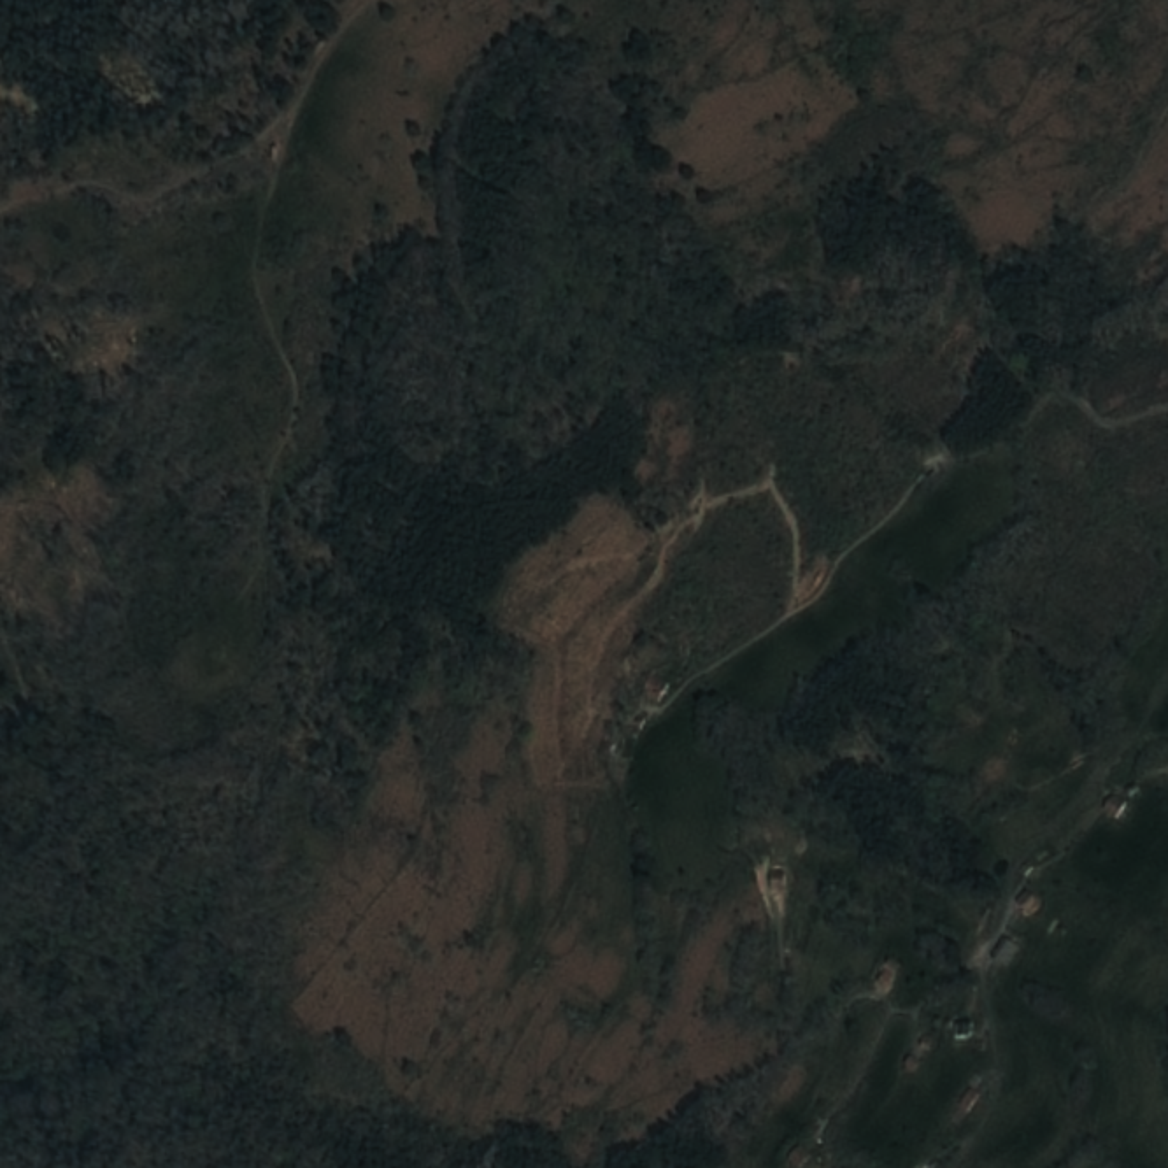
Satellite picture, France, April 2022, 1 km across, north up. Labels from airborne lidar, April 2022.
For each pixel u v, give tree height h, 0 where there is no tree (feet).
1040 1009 64
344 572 30
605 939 0
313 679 31
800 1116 0
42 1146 45
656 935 76
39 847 66
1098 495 24
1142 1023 0
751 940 68
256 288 0
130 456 28
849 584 0
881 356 64
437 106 0
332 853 0
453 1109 0
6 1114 74
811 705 97
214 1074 26
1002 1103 0
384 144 29
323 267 18
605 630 0
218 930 58
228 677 0
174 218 21
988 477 0
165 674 0
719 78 0
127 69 0
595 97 61
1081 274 60
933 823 95
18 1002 67
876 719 88
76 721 31
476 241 98
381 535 84
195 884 76
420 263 73
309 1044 0
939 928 22
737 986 49
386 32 0
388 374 73
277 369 0
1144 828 0
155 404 41
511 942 0
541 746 0
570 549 0
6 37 101
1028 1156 0
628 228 81
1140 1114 0
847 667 78
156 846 46
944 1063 0
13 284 21
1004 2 0
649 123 28
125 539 25
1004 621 85
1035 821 0
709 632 35
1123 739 33
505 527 74
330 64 0
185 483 41
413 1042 0
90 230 0
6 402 91
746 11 0
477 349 83
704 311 89
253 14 81
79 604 0
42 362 103
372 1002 0
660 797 0
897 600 0
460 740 29
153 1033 94
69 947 33
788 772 0
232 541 26
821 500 43
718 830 0
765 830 0
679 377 82
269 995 28
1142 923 0
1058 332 94
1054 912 0
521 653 73
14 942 68
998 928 0
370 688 52
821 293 49
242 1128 39
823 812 74
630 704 27
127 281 27
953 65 0
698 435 19
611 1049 0
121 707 20
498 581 73
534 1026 0
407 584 87
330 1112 30
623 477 50
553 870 0
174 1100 52
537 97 81
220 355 30
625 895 0
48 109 82
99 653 44
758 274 31
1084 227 29
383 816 0
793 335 89
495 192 60
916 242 97
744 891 0
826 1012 73
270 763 40
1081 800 0
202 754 56
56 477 110
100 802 27
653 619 26
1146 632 58
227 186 29
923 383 0
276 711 25
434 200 23
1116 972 0
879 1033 0
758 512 20
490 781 30
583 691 0
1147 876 0
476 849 0
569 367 63
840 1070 0
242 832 62
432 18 0
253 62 20
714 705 53
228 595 0
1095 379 70
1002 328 98
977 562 67
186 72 62
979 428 93
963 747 0
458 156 84
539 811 0
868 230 80
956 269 106
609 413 57
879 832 104
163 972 75
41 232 0
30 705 31
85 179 0
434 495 96
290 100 43
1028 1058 0
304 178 0
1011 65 0
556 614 0
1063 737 0
